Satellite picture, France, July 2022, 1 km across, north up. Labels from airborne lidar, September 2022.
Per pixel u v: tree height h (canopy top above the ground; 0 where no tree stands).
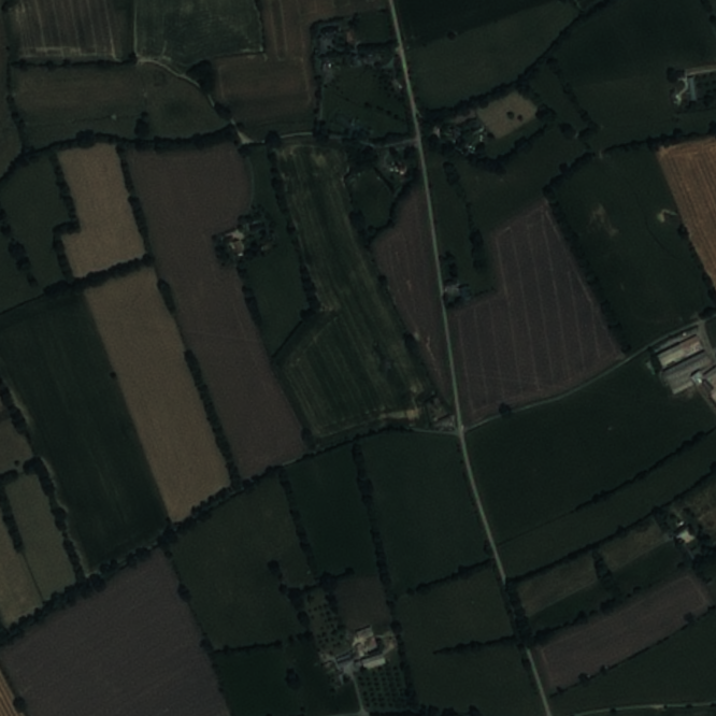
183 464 0
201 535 0
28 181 0
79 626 0
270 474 14
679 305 0
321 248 0
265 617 0
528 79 13
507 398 0
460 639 0
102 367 0
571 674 0
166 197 0
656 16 0
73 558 15
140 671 0
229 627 0
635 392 0
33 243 0
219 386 0
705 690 0
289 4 0
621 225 0
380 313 0
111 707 0
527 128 0
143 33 0
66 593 12
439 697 0
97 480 0
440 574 0
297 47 0
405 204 0
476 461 0
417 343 14
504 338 0
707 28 0
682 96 0
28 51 0
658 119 0
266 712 0
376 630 0
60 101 0
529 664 13
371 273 0
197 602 0
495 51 0
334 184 0
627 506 0
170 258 0
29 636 0
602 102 0
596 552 8
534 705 0
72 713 0
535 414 0
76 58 0
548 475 0
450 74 0
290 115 0
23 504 0
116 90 0
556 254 0
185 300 0
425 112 9
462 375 0
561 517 0
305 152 0
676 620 0
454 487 0
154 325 0
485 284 0
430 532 0
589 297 0
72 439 0
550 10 0
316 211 0
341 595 0
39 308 0
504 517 0
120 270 15
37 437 0
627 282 0
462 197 6
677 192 0
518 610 14
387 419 0
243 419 0
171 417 0
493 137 11
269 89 0
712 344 0
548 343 0
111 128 0
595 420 0
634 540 0
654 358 8
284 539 0
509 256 0
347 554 0
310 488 0
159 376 0
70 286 15
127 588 0
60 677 0
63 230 11
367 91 0
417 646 0
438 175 0
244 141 0
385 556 9
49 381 0
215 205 0
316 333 0
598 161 0
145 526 0
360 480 11
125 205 0
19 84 0
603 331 0
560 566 7
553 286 0
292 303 0
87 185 0
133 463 0
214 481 0
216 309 0
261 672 0
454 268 15
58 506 8
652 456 0
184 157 0
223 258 12
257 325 11
